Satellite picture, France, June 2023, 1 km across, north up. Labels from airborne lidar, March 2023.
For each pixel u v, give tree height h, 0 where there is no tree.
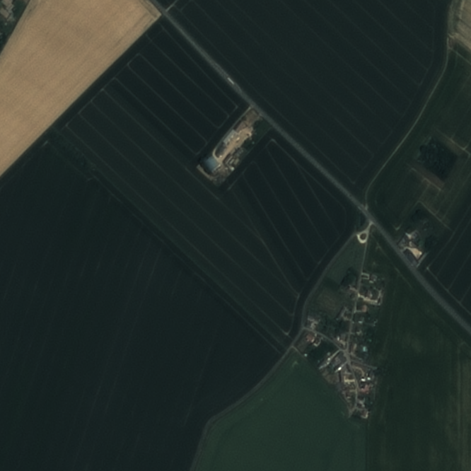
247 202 0
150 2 0
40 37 0
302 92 0
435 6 0
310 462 0
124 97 0
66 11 0
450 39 0
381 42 0
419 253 0
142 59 0
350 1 0
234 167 0
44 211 0
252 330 0
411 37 0
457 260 0
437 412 0
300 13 0
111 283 0
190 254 0
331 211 0
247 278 0
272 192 0
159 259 0
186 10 0
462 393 0
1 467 0
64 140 8
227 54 0
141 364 0
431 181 0
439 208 0
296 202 0
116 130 0
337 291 0
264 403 0
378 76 0
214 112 0
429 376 0
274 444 0
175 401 0
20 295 0
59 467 0
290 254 0
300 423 0
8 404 0
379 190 0
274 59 0
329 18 0
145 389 0
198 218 0
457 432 0
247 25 0
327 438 0
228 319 0
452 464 0
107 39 0
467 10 0
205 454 0
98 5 0
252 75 0
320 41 0
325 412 0
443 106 0
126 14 0
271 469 0
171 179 0
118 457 0
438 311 0
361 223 0
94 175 0
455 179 0
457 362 0
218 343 0
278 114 0
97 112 0
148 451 0
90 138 0
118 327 0
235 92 0
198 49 0
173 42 0
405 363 0
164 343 0
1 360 0
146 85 0
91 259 0
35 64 0
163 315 0
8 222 0
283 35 0
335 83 0
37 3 0
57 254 0
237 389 0
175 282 0
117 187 0
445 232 0
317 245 0
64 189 0
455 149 0
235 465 0
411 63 0
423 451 0
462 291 0
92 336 0
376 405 0
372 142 0
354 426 0
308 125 0
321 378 0
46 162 0
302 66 0
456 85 0
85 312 0
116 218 0
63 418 0
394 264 0
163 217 0
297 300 0
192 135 0
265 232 0
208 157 12
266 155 0
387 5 0
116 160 0
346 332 7
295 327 0
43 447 0
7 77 0
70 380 0
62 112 0
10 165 0
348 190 0
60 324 0
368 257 0
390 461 0
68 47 0
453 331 0
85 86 0
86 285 0
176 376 0
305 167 0
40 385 0
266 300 0
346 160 0
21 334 0
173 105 0
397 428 0
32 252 0
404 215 0
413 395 0
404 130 0
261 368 0
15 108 0
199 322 0
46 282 0
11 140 0
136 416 0
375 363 0
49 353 0
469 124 0
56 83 0
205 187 0
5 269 0
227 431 0
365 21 0
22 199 0
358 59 0
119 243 0
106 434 0
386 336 0
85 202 0
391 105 0
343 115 0
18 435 0
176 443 0
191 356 0
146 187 0
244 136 0
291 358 0
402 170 0
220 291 0
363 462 0
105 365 0
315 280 0
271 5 0
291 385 0
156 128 0
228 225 0
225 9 0
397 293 0
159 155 0
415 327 0
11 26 0
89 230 0
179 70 0
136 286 0
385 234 0
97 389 0
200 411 0
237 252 0
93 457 0
